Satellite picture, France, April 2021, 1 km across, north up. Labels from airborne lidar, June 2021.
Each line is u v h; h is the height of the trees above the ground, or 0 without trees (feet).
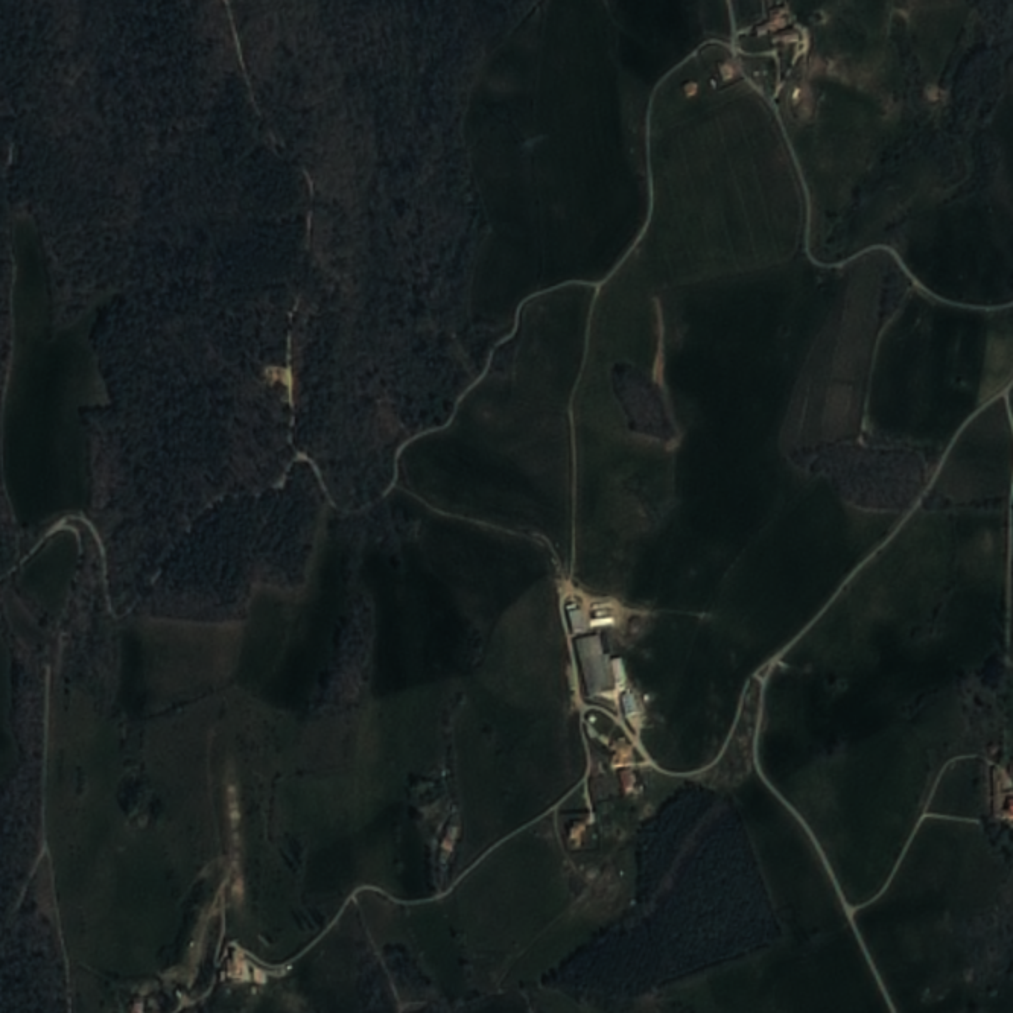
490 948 0
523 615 0
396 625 0
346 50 41
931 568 0
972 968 0
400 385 26
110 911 0
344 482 48
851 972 0
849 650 0
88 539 23
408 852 0
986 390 0
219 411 41
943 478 0
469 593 0
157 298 32
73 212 32
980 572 0
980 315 0
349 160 19
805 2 0
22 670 28
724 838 47
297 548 36
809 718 0
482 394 0
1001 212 0
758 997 0
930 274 0
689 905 35
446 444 0
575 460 0
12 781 19
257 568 27
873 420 0
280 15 31
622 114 0
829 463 27
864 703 0
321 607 0
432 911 0
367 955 26
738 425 0
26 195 31
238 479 23
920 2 0
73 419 0
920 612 0
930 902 0
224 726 0
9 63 27
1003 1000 0
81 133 44
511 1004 0
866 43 0
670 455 0
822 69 0
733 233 0
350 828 0
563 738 0
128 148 46
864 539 0
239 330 27
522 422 0
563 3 0
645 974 37
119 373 53
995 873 0
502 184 0
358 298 34
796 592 0
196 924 0
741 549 0
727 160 0
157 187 44
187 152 38
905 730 0
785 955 0
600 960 50
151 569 28
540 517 0
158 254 35
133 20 50
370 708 0
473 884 0
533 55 0
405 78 26
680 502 0
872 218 0
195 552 31
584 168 0
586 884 0
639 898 32
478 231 18
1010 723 25
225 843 0
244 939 0
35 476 0
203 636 0
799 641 0
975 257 0
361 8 30
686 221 0
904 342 0
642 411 41
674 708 0
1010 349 0
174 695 0
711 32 0
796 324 0
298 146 27
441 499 0
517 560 0
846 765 0
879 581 0
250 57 24
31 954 26
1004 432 0
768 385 0
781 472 0
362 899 0
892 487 41
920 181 0
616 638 0
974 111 52
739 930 39
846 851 0
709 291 0
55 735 0
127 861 0
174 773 0
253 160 31
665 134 0
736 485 0
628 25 0
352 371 20
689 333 0
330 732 0
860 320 0
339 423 54
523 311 0
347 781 0
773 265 0
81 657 32
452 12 42
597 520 0
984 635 0
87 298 35
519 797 0
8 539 24
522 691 0
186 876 0
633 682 0
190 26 38
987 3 48
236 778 0
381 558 0
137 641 0
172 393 55
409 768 0
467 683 0
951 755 0
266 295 24
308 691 0
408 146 46
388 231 25
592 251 0
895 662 0
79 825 0
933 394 0
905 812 0
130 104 43
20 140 31
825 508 0
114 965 0
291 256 36
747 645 0
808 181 0
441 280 24
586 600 0
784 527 0
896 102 0
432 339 44
